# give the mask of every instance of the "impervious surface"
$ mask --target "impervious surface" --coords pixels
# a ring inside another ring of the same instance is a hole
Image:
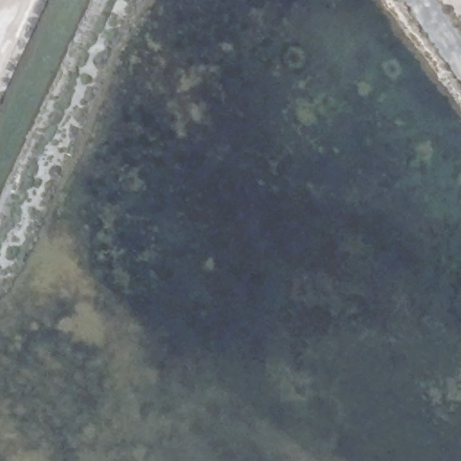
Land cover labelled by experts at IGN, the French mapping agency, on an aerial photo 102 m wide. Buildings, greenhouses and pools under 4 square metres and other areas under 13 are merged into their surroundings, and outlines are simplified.
[[[416,20],[429,32],[432,41],[438,43],[441,56],[456,68],[457,76],[461,77],[461,0],[396,0],[403,9],[411,5]]]

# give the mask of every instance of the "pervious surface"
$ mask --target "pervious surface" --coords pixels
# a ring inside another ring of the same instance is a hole
[[[5,77],[13,76],[13,70],[7,65],[16,63],[16,58],[25,49],[29,36],[25,31],[29,27],[29,20],[34,16],[34,7],[38,0],[0,0],[0,92],[5,90]]]
[[[94,61],[95,56],[104,50],[104,38],[97,38],[97,43],[90,47],[85,67],[81,67],[81,72],[77,74],[76,90],[67,110],[63,113],[63,119],[58,124],[58,133],[54,135],[50,144],[47,144],[38,160],[38,178],[41,180],[49,182],[50,169],[59,166],[63,158],[72,155],[70,151],[59,153],[59,149],[67,148],[70,144],[70,128],[79,126],[76,117],[81,110],[81,99],[85,95],[85,90],[99,86]]]
[[[74,34],[74,40],[76,43],[83,43],[88,38],[97,22],[97,16],[103,13],[108,0],[90,0],[85,16]]]
[[[7,176],[4,191],[0,194],[0,225],[4,212],[9,211],[7,203],[11,202],[11,194],[16,193],[20,187],[23,169],[31,158],[36,140],[40,139],[41,128],[45,128],[45,124],[49,122],[50,113],[54,112],[54,103],[58,101],[63,86],[67,85],[68,72],[76,63],[76,59],[70,58],[67,54],[61,61],[52,88],[41,103],[36,121],[32,124],[31,130],[27,131],[25,142],[14,162],[13,171]]]
[[[20,223],[16,223],[13,230],[7,232],[7,238],[2,241],[0,247],[0,274],[5,267],[13,267],[13,261],[7,259],[7,250],[23,245],[25,232],[31,223],[29,212],[32,207],[38,211],[45,211],[41,205],[41,198],[45,189],[38,185],[27,191],[29,200],[22,203]]]

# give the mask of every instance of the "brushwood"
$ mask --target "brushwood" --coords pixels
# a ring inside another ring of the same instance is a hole
[[[52,211],[58,214],[63,212],[63,202],[67,196],[65,185],[70,180],[77,160],[83,155],[90,157],[95,151],[95,146],[99,144],[95,139],[97,131],[92,130],[92,126],[97,117],[97,108],[108,95],[110,76],[121,63],[121,52],[126,49],[131,34],[137,34],[139,25],[146,22],[149,7],[155,0],[108,0],[103,13],[97,16],[97,22],[88,38],[83,43],[76,43],[74,40],[68,43],[67,54],[70,58],[76,59],[76,63],[68,72],[67,85],[63,86],[58,101],[54,103],[54,112],[50,113],[49,122],[45,124],[45,128],[41,128],[40,139],[36,140],[31,158],[23,169],[20,187],[16,193],[11,194],[11,202],[7,203],[9,211],[4,212],[0,225],[0,247],[2,241],[7,238],[7,232],[13,230],[16,223],[20,223],[22,203],[29,200],[27,191],[38,185],[45,189],[41,198],[41,205],[45,211],[38,211],[32,207],[29,212],[31,223],[25,232],[23,245],[7,250],[7,259],[13,261],[13,267],[5,267],[0,274],[0,292],[11,286],[11,279],[22,270],[25,252],[32,249],[38,227],[41,230],[49,229]],[[81,67],[85,67],[90,47],[97,43],[97,38],[104,38],[104,50],[95,56],[94,61],[99,86],[85,90],[85,95],[81,99],[81,110],[76,117],[79,126],[70,128],[70,144],[67,148],[59,149],[59,153],[70,151],[72,155],[63,158],[59,166],[50,169],[49,182],[41,180],[38,178],[38,160],[47,144],[50,144],[54,135],[58,133],[58,124],[63,119],[63,113],[67,110],[76,90],[77,74],[81,72]]]
[[[409,49],[416,52],[427,74],[434,81],[439,79],[439,83],[447,88],[448,94],[454,97],[454,101],[461,108],[461,77],[457,76],[456,68],[441,56],[438,43],[432,41],[429,32],[416,20],[411,5],[403,9],[396,0],[382,0],[385,9],[393,13],[400,22],[400,27],[407,34],[403,41],[409,45]]]

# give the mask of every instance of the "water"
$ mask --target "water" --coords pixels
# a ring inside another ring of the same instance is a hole
[[[25,31],[29,36],[25,49],[16,58],[16,63],[7,65],[13,70],[13,76],[5,77],[5,90],[0,92],[0,194],[4,191],[7,176],[13,171],[14,162],[25,142],[27,131],[31,130],[32,124],[36,121],[41,103],[52,88],[61,61],[67,54],[68,43],[74,40],[74,34],[85,16],[90,0],[38,0],[34,7],[34,16],[29,20],[29,27]]]
[[[110,76],[108,95],[97,108],[97,117],[92,126],[92,130],[97,131],[95,139],[99,144],[95,146],[95,151],[90,157],[83,155],[77,160],[70,180],[65,185],[67,196],[63,202],[63,212],[58,214],[52,211],[49,229],[41,230],[38,227],[32,249],[25,252],[22,270],[11,279],[11,286],[0,292],[0,461],[461,461],[461,108],[454,101],[454,97],[448,94],[447,88],[439,83],[439,79],[434,81],[427,74],[416,52],[409,49],[409,45],[403,41],[407,34],[400,27],[400,22],[393,13],[385,9],[382,0],[155,0],[149,7],[146,22],[139,25],[137,34],[131,34],[126,49],[121,52],[121,63]]]

